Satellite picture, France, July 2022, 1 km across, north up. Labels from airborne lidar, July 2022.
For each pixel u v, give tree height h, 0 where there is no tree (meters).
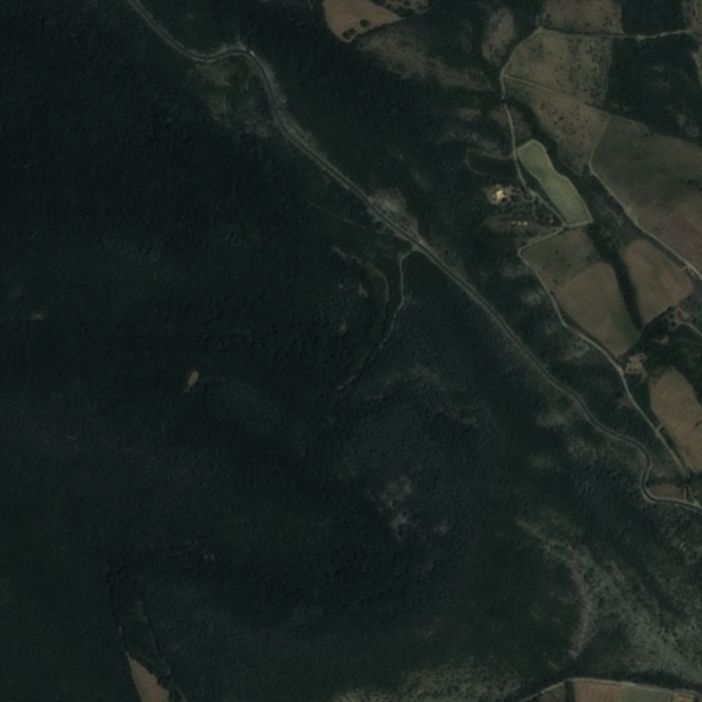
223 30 9
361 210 7
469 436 9
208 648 6
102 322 18
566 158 0
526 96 0
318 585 13
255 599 15
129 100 16
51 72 17
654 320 6
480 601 7
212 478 7
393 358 6
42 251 9
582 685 0
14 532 12
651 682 9
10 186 18
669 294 0
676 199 0
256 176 19
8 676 7
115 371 8
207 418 12
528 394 6
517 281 7
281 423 12
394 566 11
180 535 9
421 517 9
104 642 10
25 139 23
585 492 10
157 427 8
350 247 7
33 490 9
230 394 12
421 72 0
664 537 8
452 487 10
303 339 11
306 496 23
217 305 11
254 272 14
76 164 19
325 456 9
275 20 20
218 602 8
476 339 7
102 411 11
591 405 6
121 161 16
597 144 0
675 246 0
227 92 7
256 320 19
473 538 9
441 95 5
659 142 0
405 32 0
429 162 10
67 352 13
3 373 13
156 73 12
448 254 11
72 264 7
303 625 12
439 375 5
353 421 11
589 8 0
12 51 15
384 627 6
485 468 7
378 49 0
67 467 6
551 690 0
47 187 14
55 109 18
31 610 7
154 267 11
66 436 8
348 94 12
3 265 8
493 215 6
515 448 10
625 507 6
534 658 6
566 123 0
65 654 8
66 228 6
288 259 13
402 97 9
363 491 10
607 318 0
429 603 8
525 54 0
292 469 20
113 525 8
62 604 13
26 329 9
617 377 8
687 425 0
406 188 6
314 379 20
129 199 14
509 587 6
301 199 9
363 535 19
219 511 7
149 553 10
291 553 6
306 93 8
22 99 17
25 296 10
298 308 8
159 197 21
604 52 0
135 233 14
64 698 7
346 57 14
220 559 15
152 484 6
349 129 5
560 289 0
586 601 0
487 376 6
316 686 7
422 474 9
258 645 12
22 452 7
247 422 13
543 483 8
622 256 0
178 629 7
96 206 13
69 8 11
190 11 7
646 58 7
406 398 7
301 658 7
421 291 6
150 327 15
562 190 0
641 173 0
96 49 11
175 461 8
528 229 0
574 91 0
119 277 11
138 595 10
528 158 0
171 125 18
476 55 7
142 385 19
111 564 13
